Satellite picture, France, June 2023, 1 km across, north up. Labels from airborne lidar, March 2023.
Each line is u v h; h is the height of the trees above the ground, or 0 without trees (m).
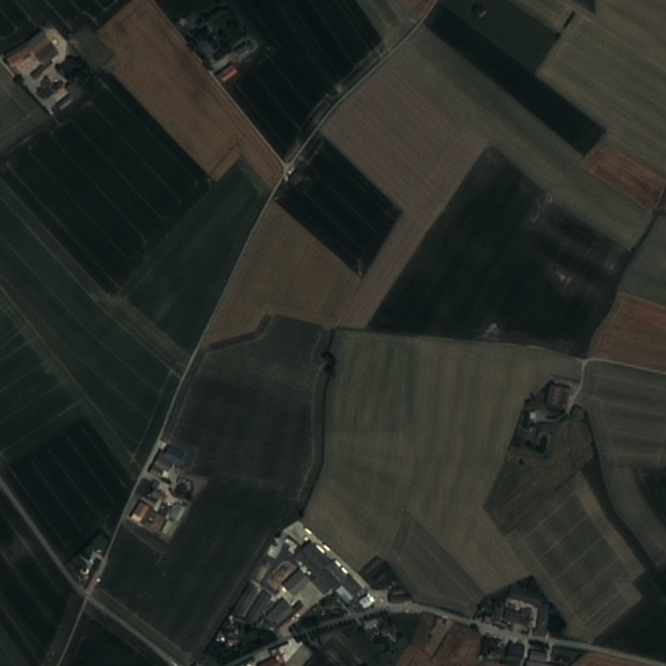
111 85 0
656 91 0
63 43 0
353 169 0
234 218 0
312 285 0
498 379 0
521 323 0
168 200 0
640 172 0
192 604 0
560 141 0
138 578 0
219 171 0
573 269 0
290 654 0
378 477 0
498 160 0
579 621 0
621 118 0
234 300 0
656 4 0
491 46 0
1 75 0
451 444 0
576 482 0
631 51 0
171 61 0
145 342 0
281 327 0
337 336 0
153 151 0
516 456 0
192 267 0
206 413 0
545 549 0
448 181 0
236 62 0
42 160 0
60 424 0
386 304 0
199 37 13
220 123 0
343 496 0
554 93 0
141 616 0
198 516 0
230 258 0
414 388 0
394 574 0
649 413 0
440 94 0
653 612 0
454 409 0
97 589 0
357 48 0
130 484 0
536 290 0
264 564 0
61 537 0
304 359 0
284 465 0
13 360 0
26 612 0
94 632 0
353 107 0
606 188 0
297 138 0
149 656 0
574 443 0
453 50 0
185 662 0
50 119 0
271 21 0
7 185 0
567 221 0
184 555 0
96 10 0
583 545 0
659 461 0
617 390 0
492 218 0
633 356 0
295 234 0
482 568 0
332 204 0
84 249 0
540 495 0
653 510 0
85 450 0
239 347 0
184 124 0
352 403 0
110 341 0
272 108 0
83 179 0
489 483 0
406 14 0
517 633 0
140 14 0
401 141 0
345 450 0
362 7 0
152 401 0
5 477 0
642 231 0
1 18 0
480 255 0
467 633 0
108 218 0
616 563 0
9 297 0
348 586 0
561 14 0
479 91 0
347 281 0
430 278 0
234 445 0
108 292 0
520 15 0
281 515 0
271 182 0
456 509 0
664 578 0
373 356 0
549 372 0
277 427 0
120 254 0
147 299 0
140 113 0
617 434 0
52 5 0
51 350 0
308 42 0
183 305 0
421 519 0
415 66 0
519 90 0
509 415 0
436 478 0
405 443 0
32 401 0
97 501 0
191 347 0
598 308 0
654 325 0
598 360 0
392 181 0
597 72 0
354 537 0
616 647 0
